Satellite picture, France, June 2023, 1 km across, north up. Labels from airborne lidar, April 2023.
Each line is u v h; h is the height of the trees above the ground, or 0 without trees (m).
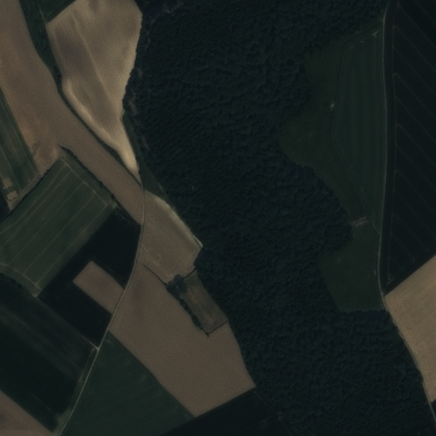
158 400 0
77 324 0
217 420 0
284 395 28
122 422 0
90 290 0
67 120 0
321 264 0
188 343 0
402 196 0
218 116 30
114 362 0
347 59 0
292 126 0
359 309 0
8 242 0
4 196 0
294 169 28
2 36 0
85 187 0
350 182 0
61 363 0
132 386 0
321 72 0
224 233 26
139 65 16
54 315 0
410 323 0
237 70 29
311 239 30
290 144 0
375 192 0
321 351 25
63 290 0
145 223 0
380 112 0
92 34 0
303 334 25
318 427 18
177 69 29
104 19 0
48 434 0
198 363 0
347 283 0
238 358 0
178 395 0
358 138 0
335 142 0
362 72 0
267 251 18
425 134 0
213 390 0
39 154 0
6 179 0
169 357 0
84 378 0
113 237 0
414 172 0
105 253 0
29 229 0
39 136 0
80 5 0
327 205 34
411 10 0
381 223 0
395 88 0
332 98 0
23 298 0
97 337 0
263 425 0
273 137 21
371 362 22
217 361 0
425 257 0
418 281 0
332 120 0
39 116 0
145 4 0
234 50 31
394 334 23
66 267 0
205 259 28
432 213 0
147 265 0
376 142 0
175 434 0
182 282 32
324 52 0
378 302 0
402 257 0
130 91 21
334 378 31
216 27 17
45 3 0
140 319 0
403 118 0
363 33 0
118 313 0
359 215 0
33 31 0
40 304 0
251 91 32
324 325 28
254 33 31
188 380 0
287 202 32
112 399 0
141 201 0
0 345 0
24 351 0
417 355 0
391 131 0
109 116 0
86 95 0
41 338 0
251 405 0
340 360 30
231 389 0
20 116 0
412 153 0
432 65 0
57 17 0
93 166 0
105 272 0
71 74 0
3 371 0
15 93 0
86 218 0
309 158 0
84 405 0
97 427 0
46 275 0
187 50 17
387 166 0
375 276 0
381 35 0
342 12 23
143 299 0
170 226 0
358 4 27
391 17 0
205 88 27
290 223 32
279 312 28
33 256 0
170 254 0
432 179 0
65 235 0
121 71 0
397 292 0
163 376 0
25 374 0
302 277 22
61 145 0
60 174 0
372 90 0
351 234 30
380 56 0
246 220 32
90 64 0
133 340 0
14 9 0
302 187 32
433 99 0
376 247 0
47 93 0
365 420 17
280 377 28
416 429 0
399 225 0
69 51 0
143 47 21
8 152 0
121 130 0
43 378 0
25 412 0
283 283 31
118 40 0
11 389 0
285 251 31
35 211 0
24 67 0
